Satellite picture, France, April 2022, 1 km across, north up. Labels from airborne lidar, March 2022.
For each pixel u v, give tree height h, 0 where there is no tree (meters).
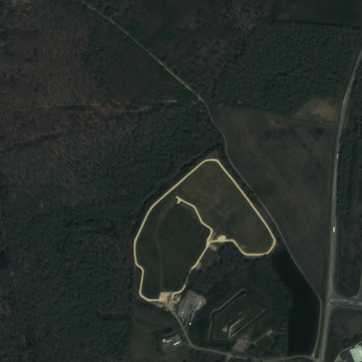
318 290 0
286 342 18
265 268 25
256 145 0
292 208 0
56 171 25
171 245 0
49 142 27
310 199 0
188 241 0
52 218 23
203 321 0
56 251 25
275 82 15
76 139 26
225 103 7
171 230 0
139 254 0
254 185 0
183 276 0
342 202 22
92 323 27
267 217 0
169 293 0
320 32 24
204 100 24
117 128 27
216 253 0
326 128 0
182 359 0
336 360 0
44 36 19
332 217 0
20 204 26
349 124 0
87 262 30
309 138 0
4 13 32
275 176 0
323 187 0
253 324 0
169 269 0
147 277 0
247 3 23
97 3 28
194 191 0
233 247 21
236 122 0
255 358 23
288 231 0
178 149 22
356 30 16
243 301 0
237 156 0
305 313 0
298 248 0
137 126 26
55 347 26
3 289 28
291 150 0
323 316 0
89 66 20
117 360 6
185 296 0
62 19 18
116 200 24
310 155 0
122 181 23
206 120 23
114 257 20
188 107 22
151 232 0
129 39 15
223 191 0
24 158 28
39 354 26
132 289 12
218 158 0
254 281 7
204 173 0
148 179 25
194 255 0
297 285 0
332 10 0
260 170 0
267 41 27
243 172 0
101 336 22
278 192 0
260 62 21
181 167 23
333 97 20
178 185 0
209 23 11
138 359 0
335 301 0
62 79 0
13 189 27
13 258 24
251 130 0
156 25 17
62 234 19
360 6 0
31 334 26
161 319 0
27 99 10
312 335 0
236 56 0
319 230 0
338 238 0
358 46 20
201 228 0
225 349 0
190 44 9
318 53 26
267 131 0
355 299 0
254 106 7
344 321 0
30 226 22
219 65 0
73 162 29
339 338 0
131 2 30
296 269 0
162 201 0
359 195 0
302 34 25
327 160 0
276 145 0
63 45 20
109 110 29
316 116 0
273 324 0
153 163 24
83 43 19
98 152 25
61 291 27
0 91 11
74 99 0
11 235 23
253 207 0
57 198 26
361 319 0
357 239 0
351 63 14
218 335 0
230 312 0
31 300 25
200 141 23
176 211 0
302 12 0
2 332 26
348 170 22
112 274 28
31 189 26
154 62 14
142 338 0
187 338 0
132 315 9
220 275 26
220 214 0
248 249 0
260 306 0
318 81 26
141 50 15
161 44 15
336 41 26
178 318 0
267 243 0
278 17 0
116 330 26
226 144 0
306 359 0
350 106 0
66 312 26
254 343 0
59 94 0
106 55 17
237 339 0
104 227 27
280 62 25
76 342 25
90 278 28
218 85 25
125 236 19
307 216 0
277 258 0
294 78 10
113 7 23
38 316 27
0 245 25
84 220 26
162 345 0
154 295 0
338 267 0
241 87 26
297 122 0
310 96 16
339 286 0
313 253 0
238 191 0
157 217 0
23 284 24
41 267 19
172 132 26
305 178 0
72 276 26
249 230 0
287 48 23
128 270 22
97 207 26
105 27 18
